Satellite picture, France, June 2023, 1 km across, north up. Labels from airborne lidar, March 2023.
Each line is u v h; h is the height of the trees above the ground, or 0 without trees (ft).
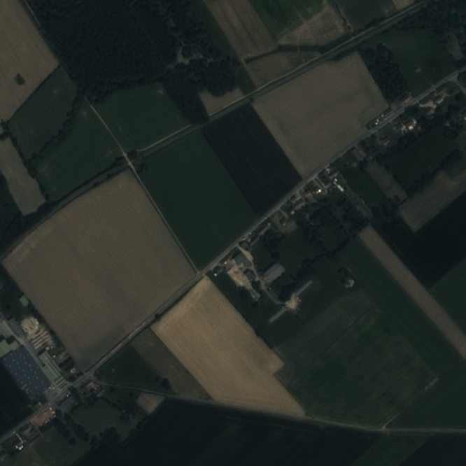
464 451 0
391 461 0
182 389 0
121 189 0
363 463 0
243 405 0
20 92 0
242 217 0
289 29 0
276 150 0
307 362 0
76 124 0
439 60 0
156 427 0
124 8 122
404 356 0
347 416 0
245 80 0
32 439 19
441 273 0
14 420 0
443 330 0
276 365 0
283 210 0
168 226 0
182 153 0
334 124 0
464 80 0
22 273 0
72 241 0
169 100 0
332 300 0
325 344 0
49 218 0
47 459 0
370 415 0
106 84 58
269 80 0
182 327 0
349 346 0
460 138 0
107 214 0
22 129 0
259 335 34
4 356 0
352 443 0
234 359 0
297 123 0
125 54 120
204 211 0
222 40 0
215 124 0
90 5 110
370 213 0
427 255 0
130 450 0
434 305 0
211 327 0
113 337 0
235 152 0
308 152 0
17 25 0
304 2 0
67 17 104
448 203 0
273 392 0
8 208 31
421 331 0
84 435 30
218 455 0
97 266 0
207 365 0
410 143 53
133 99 0
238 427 0
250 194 0
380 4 0
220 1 0
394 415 0
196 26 49
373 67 39
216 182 0
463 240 0
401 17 0
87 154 0
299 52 0
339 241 0
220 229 0
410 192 45
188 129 0
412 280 0
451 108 41
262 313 0
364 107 0
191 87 123
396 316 0
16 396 0
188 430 0
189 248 0
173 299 0
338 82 0
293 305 0
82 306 0
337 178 0
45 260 0
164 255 0
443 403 0
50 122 0
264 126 0
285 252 0
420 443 0
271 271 0
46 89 0
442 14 62
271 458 0
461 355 0
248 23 0
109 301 0
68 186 0
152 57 117
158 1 49
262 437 0
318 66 0
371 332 0
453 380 0
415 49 0
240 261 0
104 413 0
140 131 0
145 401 0
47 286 0
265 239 37
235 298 0
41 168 0
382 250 0
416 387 0
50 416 0
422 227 0
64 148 0
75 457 0
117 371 0
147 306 0
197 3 0
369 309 0
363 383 0
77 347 0
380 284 0
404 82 48
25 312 0
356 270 0
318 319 0
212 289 0
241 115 0
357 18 0
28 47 0
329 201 29
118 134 0
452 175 0
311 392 0
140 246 0
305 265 40
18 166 0
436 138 0
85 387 0
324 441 0
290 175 0
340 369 0
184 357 0
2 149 0
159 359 0
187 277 0
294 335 0
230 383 0
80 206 0
